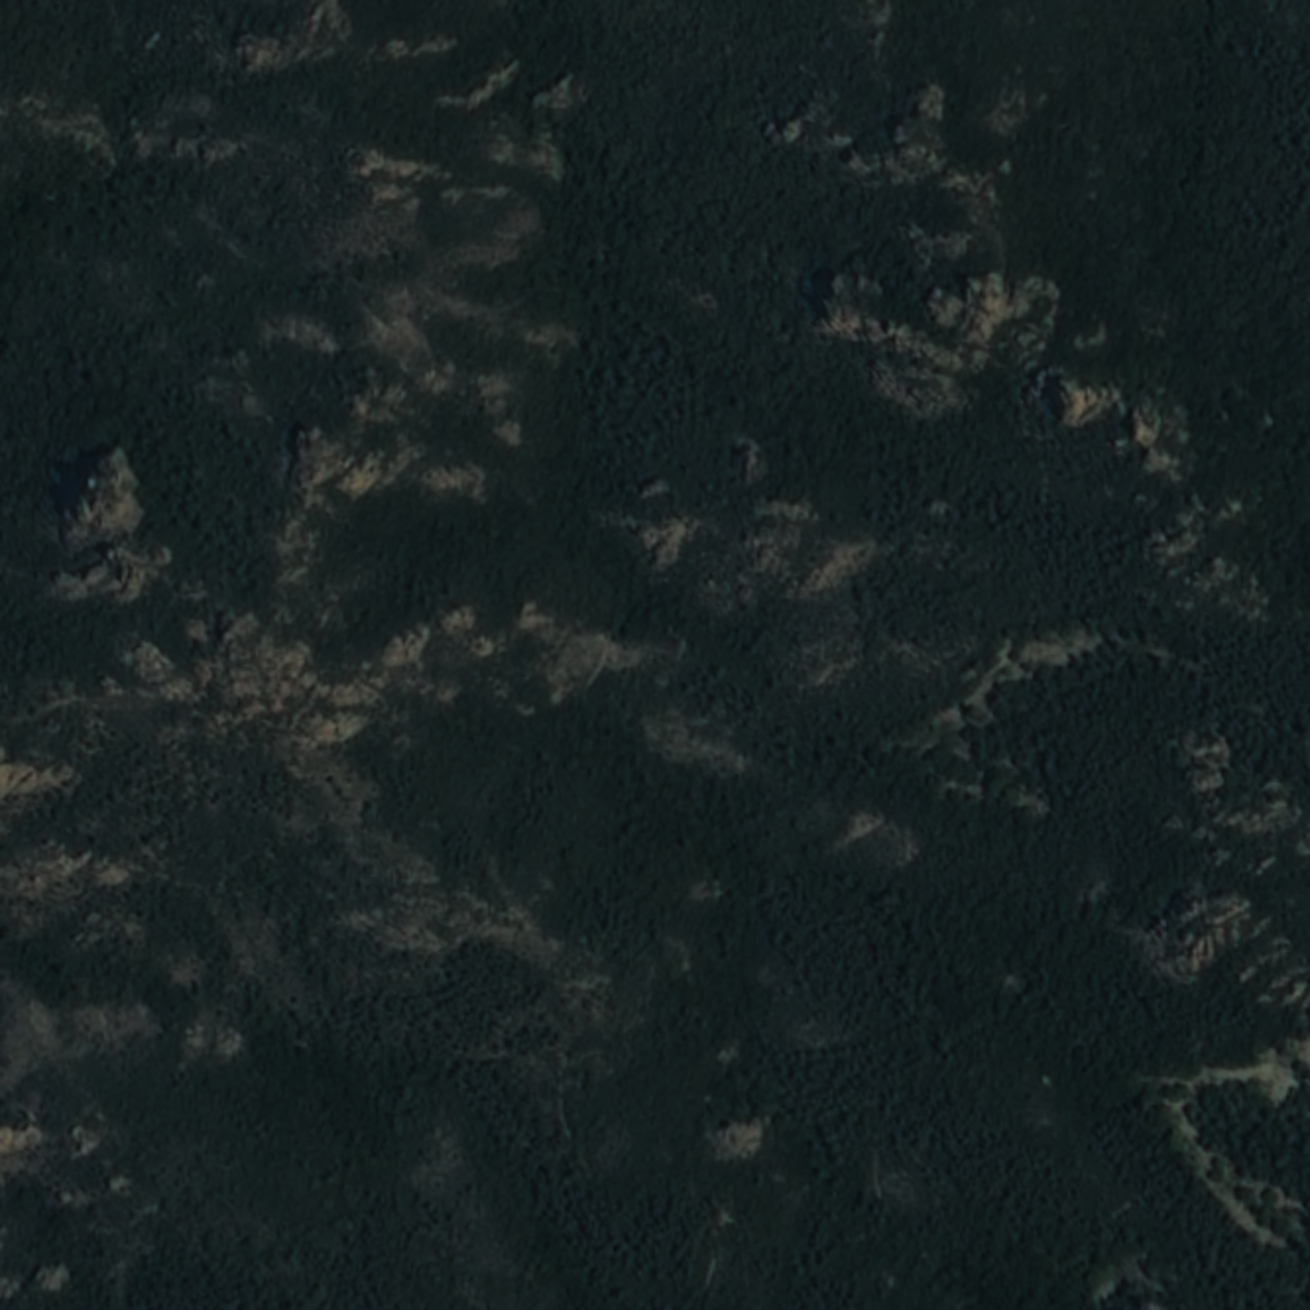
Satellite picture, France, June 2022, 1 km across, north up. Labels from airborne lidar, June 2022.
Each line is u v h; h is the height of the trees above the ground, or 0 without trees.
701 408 7
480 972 19
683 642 6
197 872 6
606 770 9
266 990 8
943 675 6
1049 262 8
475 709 7
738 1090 18
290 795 13
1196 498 10
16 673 6
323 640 7
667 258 10
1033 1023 13
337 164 9
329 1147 9
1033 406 8
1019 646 6
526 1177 11
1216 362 13
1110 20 6
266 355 5
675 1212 13
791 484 10
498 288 9
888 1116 14
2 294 17
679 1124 5
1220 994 11
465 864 11
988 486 6
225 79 7
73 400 14
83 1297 6
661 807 10
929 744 0
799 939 17
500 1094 15
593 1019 6
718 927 9
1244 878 8
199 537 8
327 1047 11
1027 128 6
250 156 11
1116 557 18
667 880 7
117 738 10
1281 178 12
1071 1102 6
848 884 24
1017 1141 9
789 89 12
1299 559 14
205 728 9
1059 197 7
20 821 7
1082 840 9
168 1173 6
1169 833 7
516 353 9
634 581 9
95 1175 8
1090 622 16
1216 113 13
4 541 7
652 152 7
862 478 7
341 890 7
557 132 14
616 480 7
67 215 10
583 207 13
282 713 6
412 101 6
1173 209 12
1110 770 9
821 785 9
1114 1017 8
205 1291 7
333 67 8
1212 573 7
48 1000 6
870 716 7
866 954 21
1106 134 12
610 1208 15
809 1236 8
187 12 6
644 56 8
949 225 8
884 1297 8
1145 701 8
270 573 8
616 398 16
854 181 7
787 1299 10
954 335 8
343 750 6
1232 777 12
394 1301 15
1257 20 5
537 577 10
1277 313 12
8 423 8
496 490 6
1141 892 10
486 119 14
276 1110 12
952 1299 6
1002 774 15
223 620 12
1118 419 8
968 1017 12
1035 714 11
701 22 9
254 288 7
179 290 7
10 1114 6
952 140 6
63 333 10
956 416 10
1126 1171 15
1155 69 14
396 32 5
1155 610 6
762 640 15
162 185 18
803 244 11
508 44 7
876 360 9
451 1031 15
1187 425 8
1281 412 14
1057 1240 7
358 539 7
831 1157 8
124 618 8
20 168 7
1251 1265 18
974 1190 18
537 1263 8
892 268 12
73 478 7
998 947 14
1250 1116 9
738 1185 8
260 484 8
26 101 6
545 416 8
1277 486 10
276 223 9
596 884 9
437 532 13
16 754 10
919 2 9
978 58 6
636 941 13
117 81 9
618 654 0
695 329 8
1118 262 10
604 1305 11
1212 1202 19
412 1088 8
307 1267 8
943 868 8
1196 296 12
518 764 6
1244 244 14
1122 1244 10
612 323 10
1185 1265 15
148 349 6
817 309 9
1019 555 6
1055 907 9
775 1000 6
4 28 13
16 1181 6
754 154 15
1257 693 7
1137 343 13
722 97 10
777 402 12
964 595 9
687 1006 13
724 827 9
